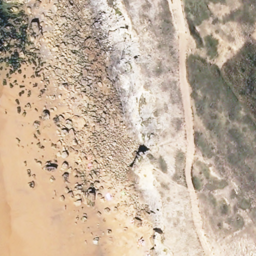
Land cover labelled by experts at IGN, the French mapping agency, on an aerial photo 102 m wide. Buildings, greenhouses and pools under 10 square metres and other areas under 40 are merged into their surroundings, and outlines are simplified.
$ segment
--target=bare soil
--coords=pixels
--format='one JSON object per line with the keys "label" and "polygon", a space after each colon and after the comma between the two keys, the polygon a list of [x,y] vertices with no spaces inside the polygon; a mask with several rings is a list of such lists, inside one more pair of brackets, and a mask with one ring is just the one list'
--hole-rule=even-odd
{"label": "bare soil", "polygon": [[244,43],[256,43],[256,22],[253,26],[232,21],[223,23],[226,14],[242,5],[239,0],[226,0],[224,4],[210,3],[209,8],[213,14],[196,26],[201,38],[211,35],[218,40],[218,58],[210,58],[206,49],[196,46],[191,49],[191,55],[199,55],[208,63],[216,64],[220,68],[237,54]]}
{"label": "bare soil", "polygon": [[180,82],[179,43],[173,41],[175,28],[168,0],[161,0],[158,5],[163,8],[163,12],[151,18],[145,14],[139,16],[148,22],[155,37],[159,37],[158,45],[153,47],[154,53],[159,53],[155,66],[157,77],[147,77],[141,74],[140,67],[135,64],[139,51],[138,37],[132,30],[122,0],[0,0],[0,256],[209,256],[203,248],[193,219],[192,202],[186,181],[186,157],[193,154],[194,158],[190,169],[191,178],[199,174],[200,170],[207,168],[211,176],[228,182],[224,189],[215,190],[216,206],[212,206],[210,202],[204,203],[204,214],[210,221],[218,246],[231,244],[240,239],[256,240],[256,194],[253,190],[244,189],[245,185],[249,185],[248,178],[217,153],[218,140],[216,137],[210,138],[209,130],[197,115],[194,100],[191,98],[193,129],[187,134],[181,131],[182,123],[185,123],[185,109],[181,89],[177,86]]}

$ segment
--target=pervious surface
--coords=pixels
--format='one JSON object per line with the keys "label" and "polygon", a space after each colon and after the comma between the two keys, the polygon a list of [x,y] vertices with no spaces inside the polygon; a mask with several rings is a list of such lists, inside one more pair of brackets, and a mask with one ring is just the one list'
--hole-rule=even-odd
{"label": "pervious surface", "polygon": [[181,131],[187,134],[193,129],[191,98],[192,89],[186,76],[186,58],[191,55],[191,49],[196,46],[185,19],[184,2],[181,0],[168,0],[175,28],[173,41],[179,43],[180,82],[177,86],[181,89],[185,109],[185,123],[182,123]]}
{"label": "pervious surface", "polygon": [[158,5],[161,0],[122,0],[132,30],[138,37],[139,51],[135,64],[140,67],[141,74],[147,77],[157,77],[155,66],[159,53],[154,53],[153,47],[158,45],[159,37],[155,37],[148,22],[139,16],[145,14],[151,18],[163,12],[163,8]]}
{"label": "pervious surface", "polygon": [[209,256],[256,256],[256,240],[240,239],[231,244],[218,246],[210,221],[204,214],[204,203],[197,199],[191,178],[190,169],[194,158],[193,154],[186,157],[186,181],[192,202],[193,219],[203,248]]}

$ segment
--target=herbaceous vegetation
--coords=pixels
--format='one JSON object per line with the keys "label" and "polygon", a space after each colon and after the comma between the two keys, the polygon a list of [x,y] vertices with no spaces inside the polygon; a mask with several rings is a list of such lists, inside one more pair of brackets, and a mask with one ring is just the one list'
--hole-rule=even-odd
{"label": "herbaceous vegetation", "polygon": [[256,0],[239,0],[242,5],[226,14],[223,23],[232,21],[253,26],[256,22]]}
{"label": "herbaceous vegetation", "polygon": [[218,40],[211,35],[201,38],[196,26],[213,14],[209,8],[210,3],[224,4],[226,0],[181,0],[184,2],[185,19],[196,46],[206,49],[210,58],[218,58]]}
{"label": "herbaceous vegetation", "polygon": [[211,176],[207,168],[200,170],[199,174],[191,178],[197,199],[204,203],[210,202],[212,206],[216,206],[215,190],[224,189],[228,182]]}
{"label": "herbaceous vegetation", "polygon": [[256,43],[244,43],[237,54],[220,68],[216,64],[208,63],[199,55],[191,55],[186,58],[186,76],[192,89],[191,98],[194,100],[197,115],[209,130],[210,138],[216,137],[218,140],[217,153],[248,178],[249,185],[245,185],[244,189],[253,190],[256,194]]}

